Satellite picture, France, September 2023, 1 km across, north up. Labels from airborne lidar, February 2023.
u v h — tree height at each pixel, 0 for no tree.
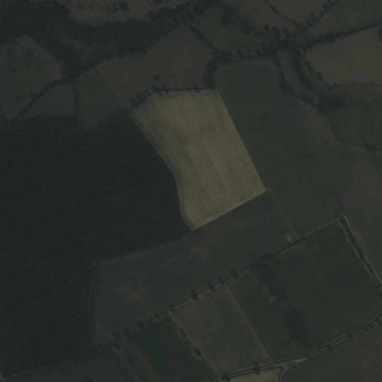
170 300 0
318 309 0
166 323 0
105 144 14
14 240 19
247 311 0
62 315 24
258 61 0
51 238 23
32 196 20
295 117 0
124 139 19
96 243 22
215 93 0
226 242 0
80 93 0
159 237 19
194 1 0
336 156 0
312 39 0
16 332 20
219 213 0
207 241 0
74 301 21
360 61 0
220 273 0
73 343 22
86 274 21
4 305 20
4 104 0
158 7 0
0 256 21
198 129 0
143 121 0
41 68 0
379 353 0
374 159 0
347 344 0
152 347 0
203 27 0
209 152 0
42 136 20
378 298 0
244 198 0
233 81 0
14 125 14
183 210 0
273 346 0
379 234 0
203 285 0
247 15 0
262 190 0
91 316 0
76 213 22
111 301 0
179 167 0
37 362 21
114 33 18
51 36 6
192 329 0
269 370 0
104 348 0
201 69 0
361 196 0
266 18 0
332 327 0
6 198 21
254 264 0
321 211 0
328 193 0
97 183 16
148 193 21
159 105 0
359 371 0
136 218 17
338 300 0
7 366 16
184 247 0
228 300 0
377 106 0
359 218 0
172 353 0
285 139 0
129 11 0
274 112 0
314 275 0
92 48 0
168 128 0
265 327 0
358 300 0
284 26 0
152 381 0
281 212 0
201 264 0
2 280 21
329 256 0
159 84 0
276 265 0
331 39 15
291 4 0
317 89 0
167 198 22
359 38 0
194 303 0
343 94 0
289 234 0
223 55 14
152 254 0
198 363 0
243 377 0
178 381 0
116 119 18
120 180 21
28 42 0
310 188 0
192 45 0
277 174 0
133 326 0
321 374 0
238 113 0
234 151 0
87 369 0
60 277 23
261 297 0
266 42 0
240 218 0
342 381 0
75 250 22
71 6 0
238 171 0
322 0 0
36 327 24
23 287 23
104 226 22
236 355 0
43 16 8
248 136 0
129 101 0
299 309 0
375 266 0
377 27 0
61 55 0
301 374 0
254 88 0
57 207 24
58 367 0
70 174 24
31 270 23
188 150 0
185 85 0
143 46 16
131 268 0
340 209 0
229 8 0
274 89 0
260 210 0
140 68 0
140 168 24
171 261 0
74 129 20
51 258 21
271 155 0
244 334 0
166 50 0
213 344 0
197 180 0
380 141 0
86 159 22
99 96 0
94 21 0
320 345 0
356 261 0
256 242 0
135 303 0
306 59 0
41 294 25
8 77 0
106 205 22
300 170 0
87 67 13
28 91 0
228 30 0
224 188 0
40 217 20
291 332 0
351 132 0
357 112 0
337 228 0
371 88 0
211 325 0
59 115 0
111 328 0
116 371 0
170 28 11
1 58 0
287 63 0
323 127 0
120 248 21
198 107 0
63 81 11
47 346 23
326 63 0
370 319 0
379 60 0
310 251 0
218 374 0
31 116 0
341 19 0
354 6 0
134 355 0
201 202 0
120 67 0
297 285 0
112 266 0
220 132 0
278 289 0
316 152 0
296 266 0
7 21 21
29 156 24
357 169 0
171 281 0
